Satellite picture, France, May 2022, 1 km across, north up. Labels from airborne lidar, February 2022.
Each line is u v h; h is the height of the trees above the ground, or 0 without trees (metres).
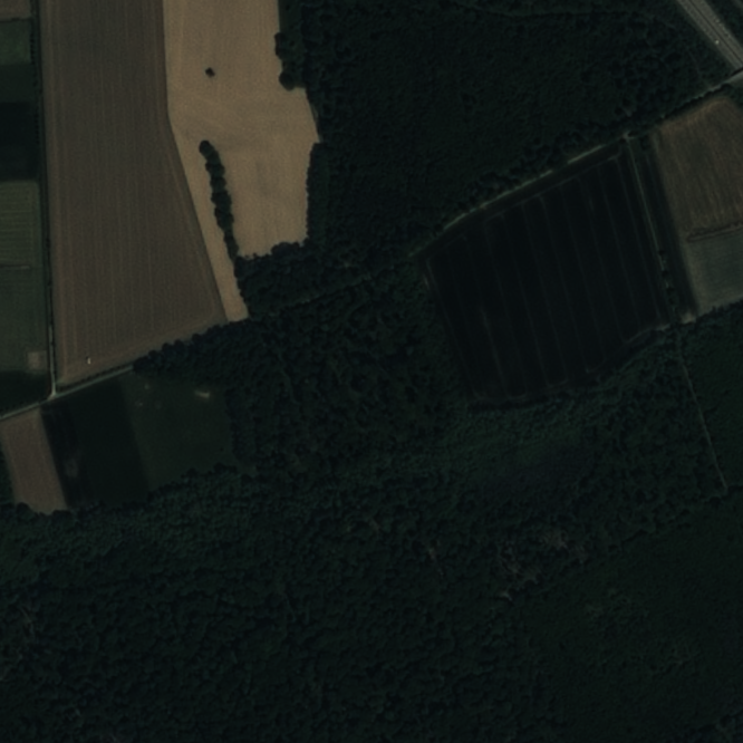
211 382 25
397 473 21
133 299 0
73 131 0
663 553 14
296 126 0
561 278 0
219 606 30
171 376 25
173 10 0
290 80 17
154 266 0
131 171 0
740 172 0
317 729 31
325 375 30
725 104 0
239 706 34
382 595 28
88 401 0
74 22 0
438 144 13
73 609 30
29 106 0
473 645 31
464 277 0
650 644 8
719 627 14
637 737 12
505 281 0
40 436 0
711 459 18
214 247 0
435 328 16
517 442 23
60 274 0
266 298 25
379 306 29
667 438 26
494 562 27
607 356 0
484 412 21
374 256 30
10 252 0
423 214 15
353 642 29
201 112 0
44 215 0
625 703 14
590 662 11
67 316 0
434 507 28
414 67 16
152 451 0
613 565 10
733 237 0
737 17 7
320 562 24
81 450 0
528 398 0
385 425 28
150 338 0
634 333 0
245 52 0
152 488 0
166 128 0
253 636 32
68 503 0
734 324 13
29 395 0
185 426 0
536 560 25
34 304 0
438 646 32
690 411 24
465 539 23
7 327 0
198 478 21
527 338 0
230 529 16
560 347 0
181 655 28
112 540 23
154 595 29
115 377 0
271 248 0
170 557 20
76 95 0
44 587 17
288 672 29
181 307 0
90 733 25
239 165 0
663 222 0
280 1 0
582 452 18
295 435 28
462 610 25
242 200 0
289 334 28
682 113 10
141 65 0
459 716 32
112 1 0
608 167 0
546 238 0
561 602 13
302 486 23
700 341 16
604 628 6
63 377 0
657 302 0
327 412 33
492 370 0
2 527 20
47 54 0
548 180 0
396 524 32
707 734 24
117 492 0
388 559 28
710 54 15
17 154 0
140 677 28
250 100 0
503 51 14
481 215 0
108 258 0
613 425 24
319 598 29
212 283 0
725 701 14
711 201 0
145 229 0
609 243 0
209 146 15
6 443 0
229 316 0
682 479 26
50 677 28
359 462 26
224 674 35
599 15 20
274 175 0
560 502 12
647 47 28
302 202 0
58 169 0
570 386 0
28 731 28
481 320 0
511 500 9
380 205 12
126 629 31
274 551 23
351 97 12
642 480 26
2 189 0
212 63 0
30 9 0
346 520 20
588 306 0
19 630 26
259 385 25
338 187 15
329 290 25
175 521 24
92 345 0
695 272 0
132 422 0
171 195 0
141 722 27
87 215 0
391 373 31
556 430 19
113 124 0
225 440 0
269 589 25
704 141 0
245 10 0
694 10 0
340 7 26
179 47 0
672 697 10
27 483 0
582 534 25
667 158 0
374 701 31
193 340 0
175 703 31
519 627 24
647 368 15
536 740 30
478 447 17
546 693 29
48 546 21
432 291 0
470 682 27
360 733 32
